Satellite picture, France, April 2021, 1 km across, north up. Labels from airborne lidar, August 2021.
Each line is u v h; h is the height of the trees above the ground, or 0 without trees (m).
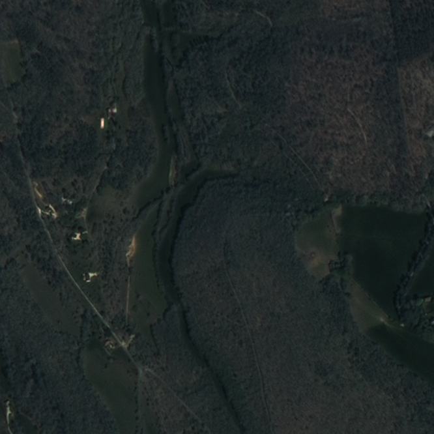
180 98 17
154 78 0
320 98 18
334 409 18
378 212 0
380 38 11
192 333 21
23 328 15
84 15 30
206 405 11
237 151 12
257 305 16
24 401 12
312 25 13
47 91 18
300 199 18
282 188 14
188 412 9
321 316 19
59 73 25
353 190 14
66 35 18
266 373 11
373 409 18
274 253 19
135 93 20
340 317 19
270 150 8
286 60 13
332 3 9
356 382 16
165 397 7
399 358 0
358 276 0
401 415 17
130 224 12
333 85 11
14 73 0
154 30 18
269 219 17
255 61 18
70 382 13
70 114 19
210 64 25
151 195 0
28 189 18
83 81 20
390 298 0
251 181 9
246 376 7
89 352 0
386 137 16
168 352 16
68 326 0
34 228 13
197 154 13
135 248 0
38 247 9
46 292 0
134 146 22
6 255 13
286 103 14
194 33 20
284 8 14
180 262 15
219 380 9
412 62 18
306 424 15
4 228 15
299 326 17
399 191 12
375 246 0
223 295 9
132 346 9
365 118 14
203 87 19
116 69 9
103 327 11
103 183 22
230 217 16
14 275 11
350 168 13
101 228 14
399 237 0
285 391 15
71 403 13
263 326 13
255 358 6
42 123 17
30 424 7
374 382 18
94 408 15
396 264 0
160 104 0
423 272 0
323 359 16
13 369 14
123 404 0
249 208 13
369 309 0
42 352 14
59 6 21
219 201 12
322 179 14
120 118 0
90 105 16
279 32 13
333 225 0
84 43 19
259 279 16
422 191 16
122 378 0
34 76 22
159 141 0
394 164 13
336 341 19
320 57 10
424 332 18
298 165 11
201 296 7
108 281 9
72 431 19
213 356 22
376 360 19
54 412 19
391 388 16
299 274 21
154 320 0
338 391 19
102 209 0
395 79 20
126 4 9
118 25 18
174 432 8
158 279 7
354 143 15
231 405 14
